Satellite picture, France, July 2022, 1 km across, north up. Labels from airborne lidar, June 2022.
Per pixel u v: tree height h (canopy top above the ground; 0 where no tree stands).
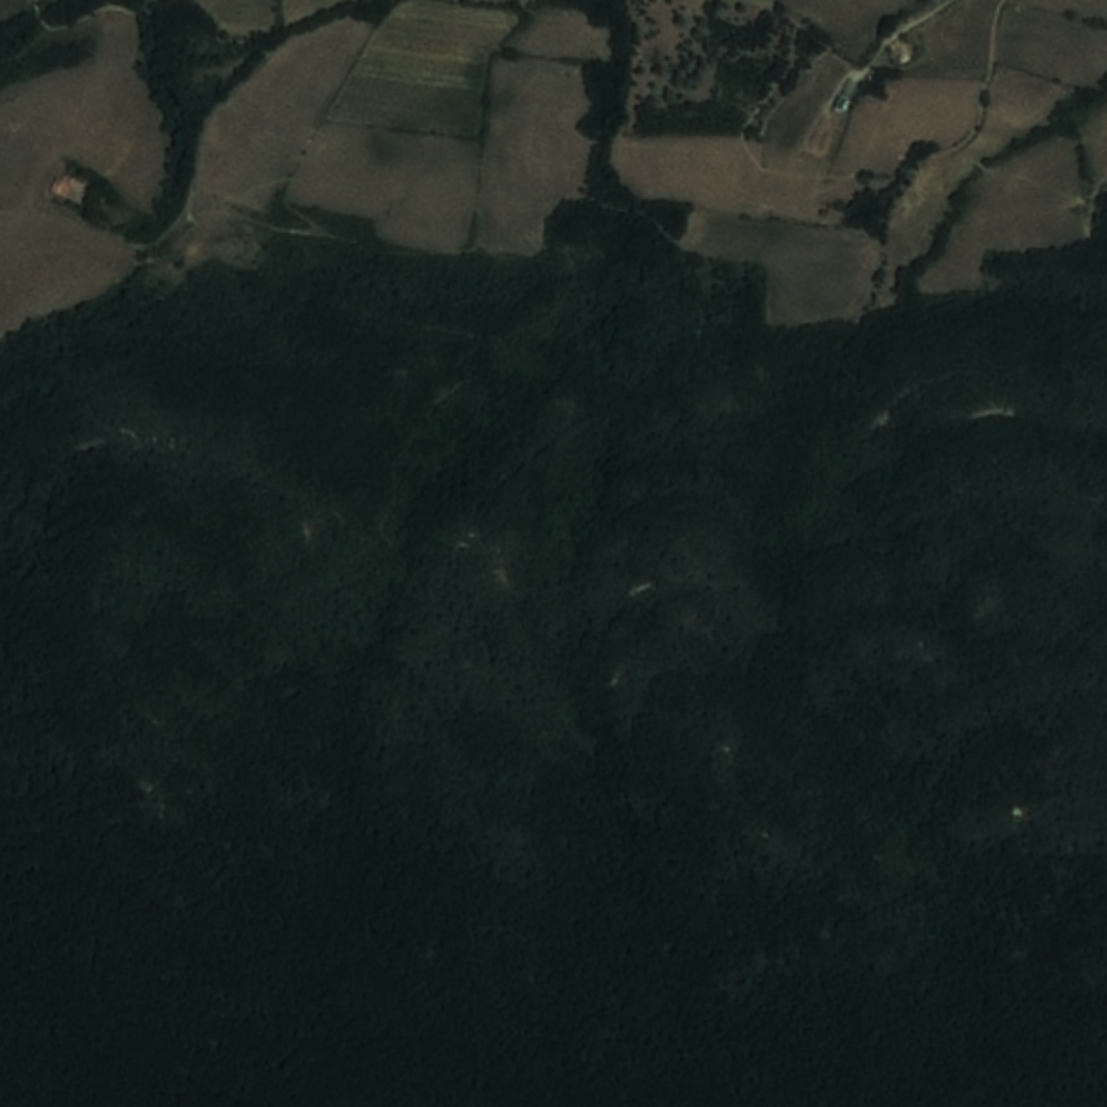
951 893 10
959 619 11
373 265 9
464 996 14
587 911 21
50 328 13
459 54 0
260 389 9
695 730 7
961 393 7
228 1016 20
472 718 10
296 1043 22
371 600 9
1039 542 7
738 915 12
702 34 13
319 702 11
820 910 13
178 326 7
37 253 0
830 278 0
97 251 0
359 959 21
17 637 8
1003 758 10
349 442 9
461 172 0
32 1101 19
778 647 13
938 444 8
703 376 6
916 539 8
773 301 0
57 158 0
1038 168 0
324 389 12
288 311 7
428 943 14
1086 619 7
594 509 9
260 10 0
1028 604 7
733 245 0
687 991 17
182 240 0
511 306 6
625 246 10
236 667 8
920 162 10
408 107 0
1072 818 7
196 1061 21
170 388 9
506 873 9
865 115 0
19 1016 21
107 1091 21
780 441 10
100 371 7
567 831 16
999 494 6
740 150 0
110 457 9
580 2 11
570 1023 16
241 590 9
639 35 13
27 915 18
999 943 9
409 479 6
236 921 14
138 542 8
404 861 18
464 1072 18
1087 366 8
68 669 12
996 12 0
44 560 6
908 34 5
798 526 9
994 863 9
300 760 10
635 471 9
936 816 10
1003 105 0
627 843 14
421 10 0
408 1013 18
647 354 7
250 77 10
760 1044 13
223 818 16
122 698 8
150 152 0
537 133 0
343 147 0
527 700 8
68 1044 20
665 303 8
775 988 9
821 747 13
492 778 8
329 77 0
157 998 13
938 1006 14
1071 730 6
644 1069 17
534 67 0
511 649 9
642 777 8
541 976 16
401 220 0
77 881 15
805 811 8
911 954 10
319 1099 25
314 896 24
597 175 6
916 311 9
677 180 0
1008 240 0
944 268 0
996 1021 8
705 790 12
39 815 17
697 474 8
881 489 9
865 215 9
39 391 8
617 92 10
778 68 11
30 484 7
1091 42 0
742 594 9
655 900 18
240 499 8
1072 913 8
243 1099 24
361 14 12
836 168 0
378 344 10
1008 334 8
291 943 21
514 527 6
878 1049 11
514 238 0
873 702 8
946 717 8
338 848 20
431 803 9
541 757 8
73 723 12
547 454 8
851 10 0
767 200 0
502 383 6
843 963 6
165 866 8
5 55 7
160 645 13
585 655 11
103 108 0
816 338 11
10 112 0
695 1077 19
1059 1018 11
